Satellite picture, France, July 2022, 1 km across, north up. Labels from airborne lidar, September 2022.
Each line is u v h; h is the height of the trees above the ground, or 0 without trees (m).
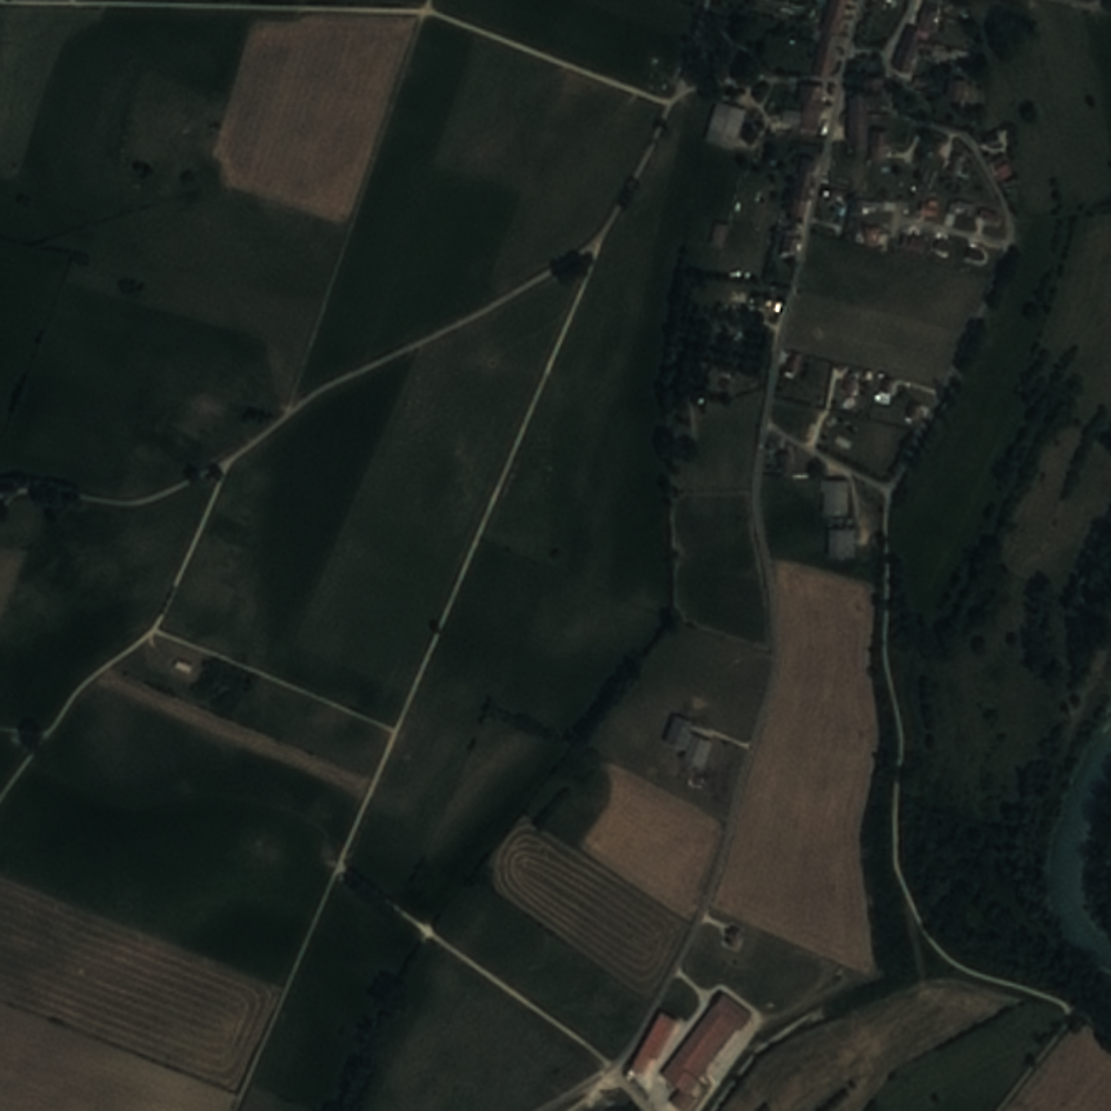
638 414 0
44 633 0
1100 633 35
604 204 0
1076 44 0
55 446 0
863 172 0
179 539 0
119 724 0
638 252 0
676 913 0
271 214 0
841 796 0
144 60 0
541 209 0
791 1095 0
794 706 0
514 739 0
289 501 0
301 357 0
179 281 0
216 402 0
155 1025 0
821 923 0
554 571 0
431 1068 0
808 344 0
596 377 0
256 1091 0
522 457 0
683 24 0
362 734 0
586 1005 0
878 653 8
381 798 0
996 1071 0
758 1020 0
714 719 0
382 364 0
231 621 0
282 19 0
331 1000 0
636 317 0
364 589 0
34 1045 0
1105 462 0
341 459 0
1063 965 10
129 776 0
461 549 0
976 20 10
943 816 8
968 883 21
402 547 0
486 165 0
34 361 0
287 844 0
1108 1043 19
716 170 0
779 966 0
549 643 0
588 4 0
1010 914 19
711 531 0
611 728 0
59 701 0
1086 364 0
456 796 0
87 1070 0
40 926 0
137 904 0
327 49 0
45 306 0
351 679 0
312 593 0
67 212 0
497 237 0
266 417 13
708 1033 0
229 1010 0
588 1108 0
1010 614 0
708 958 0
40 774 0
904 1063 0
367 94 0
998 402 0
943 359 0
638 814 0
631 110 0
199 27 0
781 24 7
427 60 0
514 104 0
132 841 0
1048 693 0
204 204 0
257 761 0
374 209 0
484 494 0
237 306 0
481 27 0
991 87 0
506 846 0
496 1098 0
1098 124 0
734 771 0
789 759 0
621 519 0
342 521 0
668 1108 0
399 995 24
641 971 0
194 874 0
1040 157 0
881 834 6
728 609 0
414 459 0
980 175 0
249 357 0
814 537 0
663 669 0
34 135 0
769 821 0
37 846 0
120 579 0
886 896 7
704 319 14
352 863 0
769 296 5
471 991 0
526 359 0
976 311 0
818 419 0
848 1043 0
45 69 0
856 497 0
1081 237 0
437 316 0
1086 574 23
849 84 6
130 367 0
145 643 0
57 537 0
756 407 0
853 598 0
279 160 0
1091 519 0
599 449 0
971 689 0
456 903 0
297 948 0
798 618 0
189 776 0
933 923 8
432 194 0
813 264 0
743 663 0
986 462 0
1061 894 0
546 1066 0
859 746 0
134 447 0
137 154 0
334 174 0
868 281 0
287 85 0
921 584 0
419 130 0
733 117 0
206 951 0
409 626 0
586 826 0
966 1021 0
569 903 0
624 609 0
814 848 0
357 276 0
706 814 0
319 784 0
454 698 0
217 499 0
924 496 0
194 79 0
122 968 0
